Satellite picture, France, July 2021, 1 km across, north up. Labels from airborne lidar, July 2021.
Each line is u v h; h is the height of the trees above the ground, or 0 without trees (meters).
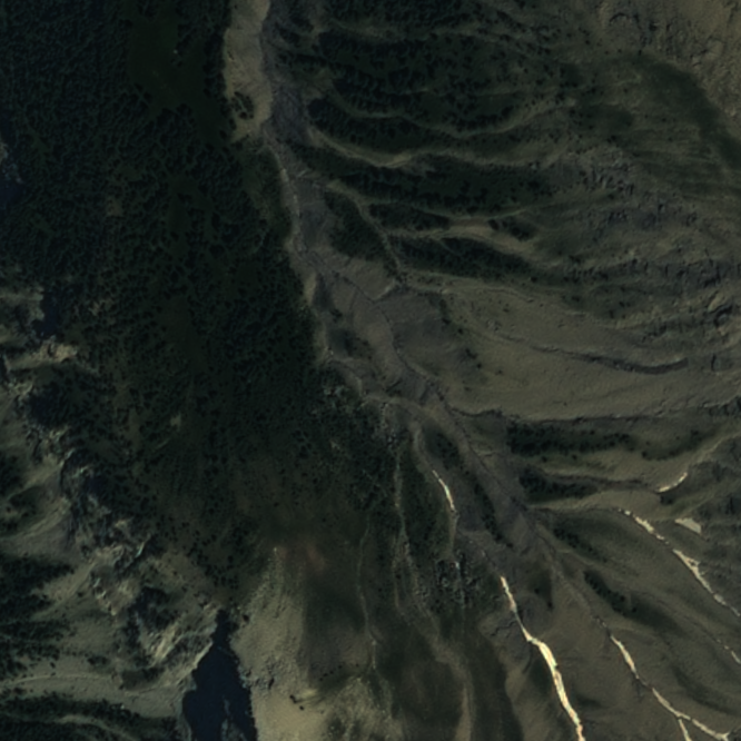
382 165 0
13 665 17
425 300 0
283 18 0
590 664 0
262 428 6
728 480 0
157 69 0
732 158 0
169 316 0
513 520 0
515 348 0
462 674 0
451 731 0
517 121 0
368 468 7
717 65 0
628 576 0
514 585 0
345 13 22
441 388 0
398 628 0
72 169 16
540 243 0
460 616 0
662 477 0
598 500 0
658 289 0
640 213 0
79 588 0
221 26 11
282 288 13
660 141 0
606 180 0
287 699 0
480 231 0
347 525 0
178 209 0
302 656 0
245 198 14
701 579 0
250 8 0
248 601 0
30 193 20
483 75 0
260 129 0
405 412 0
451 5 11
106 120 15
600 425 0
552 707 0
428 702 0
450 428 0
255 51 0
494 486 0
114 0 22
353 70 22
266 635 0
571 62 0
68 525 0
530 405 0
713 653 0
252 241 20
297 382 9
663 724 0
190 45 19
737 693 0
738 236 0
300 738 0
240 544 14
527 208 0
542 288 0
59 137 15
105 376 7
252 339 23
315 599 0
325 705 0
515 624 0
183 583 0
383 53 16
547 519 0
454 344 0
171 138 19
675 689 0
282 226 0
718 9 0
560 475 0
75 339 6
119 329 9
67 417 11
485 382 0
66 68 14
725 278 0
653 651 0
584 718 0
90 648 0
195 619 0
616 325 0
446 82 0
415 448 0
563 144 0
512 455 0
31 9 10
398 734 0
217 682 0
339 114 21
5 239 12
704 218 0
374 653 0
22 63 13
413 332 0
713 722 0
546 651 0
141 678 0
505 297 0
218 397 12
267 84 0
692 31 0
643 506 0
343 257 0
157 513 12
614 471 0
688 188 0
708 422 0
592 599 0
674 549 0
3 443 0
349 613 0
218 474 14
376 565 0
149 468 13
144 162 23
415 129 15
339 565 0
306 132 0
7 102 7
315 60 15
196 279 17
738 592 0
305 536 0
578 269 0
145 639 0
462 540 0
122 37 23
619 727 0
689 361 0
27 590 17
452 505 0
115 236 15
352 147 0
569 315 0
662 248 0
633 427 0
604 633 0
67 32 8
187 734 0
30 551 0
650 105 0
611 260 0
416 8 11
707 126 0
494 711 0
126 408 8
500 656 0
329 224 0
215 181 20
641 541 0
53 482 0
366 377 0
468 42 8
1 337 0
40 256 16
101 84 15
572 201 0
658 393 0
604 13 0
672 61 0
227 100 17
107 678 0
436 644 0
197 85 0
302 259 0
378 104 11
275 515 0
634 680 0
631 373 0
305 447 10
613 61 0
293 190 0
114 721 10
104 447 0
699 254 0
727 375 0
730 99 0
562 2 0
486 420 0
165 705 0
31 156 19
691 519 0
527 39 0
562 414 0
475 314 0
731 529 0
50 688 0
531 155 0
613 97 0
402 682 0
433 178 16
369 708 0
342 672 0
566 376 0
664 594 0
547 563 0
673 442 0
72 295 10
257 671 0
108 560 0
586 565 0
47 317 0
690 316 0
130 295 12
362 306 0
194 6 21
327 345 0
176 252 0
